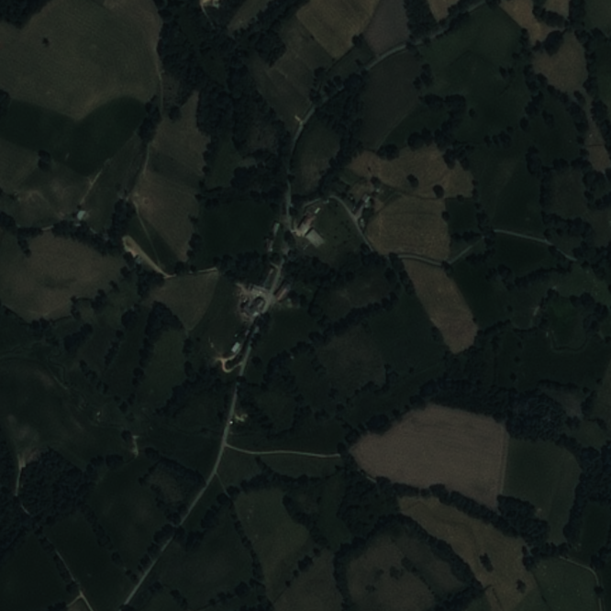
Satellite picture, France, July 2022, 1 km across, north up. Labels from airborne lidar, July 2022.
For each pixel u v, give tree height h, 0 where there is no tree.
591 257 23
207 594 0
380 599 0
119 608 0
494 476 0
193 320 0
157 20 0
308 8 0
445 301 0
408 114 0
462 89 0
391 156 19
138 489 0
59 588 0
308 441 0
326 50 0
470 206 0
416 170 0
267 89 0
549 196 21
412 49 16
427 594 0
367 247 18
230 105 35
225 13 0
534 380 0
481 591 17
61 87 0
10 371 0
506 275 22
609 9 0
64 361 0
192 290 0
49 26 0
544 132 0
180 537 22
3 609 0
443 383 17
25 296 0
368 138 0
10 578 0
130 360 0
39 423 0
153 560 18
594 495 21
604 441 0
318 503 9
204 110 19
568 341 0
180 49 21
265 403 0
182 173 0
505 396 7
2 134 0
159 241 0
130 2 0
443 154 0
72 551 0
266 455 0
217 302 0
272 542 0
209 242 0
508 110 0
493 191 0
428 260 0
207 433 15
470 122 0
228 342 0
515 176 0
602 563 23
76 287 0
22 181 0
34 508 10
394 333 0
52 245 0
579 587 0
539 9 16
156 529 0
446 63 0
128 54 0
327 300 0
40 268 0
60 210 0
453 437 0
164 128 0
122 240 20
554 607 0
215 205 18
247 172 18
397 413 14
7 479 18
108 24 0
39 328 20
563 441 18
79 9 0
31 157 0
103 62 0
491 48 0
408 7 17
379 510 0
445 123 0
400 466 0
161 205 0
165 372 0
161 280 21
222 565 0
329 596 0
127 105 0
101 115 0
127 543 0
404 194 0
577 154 0
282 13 23
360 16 0
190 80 24
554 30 0
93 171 0
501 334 7
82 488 20
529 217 0
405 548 0
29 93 0
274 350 0
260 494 0
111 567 0
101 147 0
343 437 0
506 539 0
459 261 0
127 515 0
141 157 0
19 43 0
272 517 0
